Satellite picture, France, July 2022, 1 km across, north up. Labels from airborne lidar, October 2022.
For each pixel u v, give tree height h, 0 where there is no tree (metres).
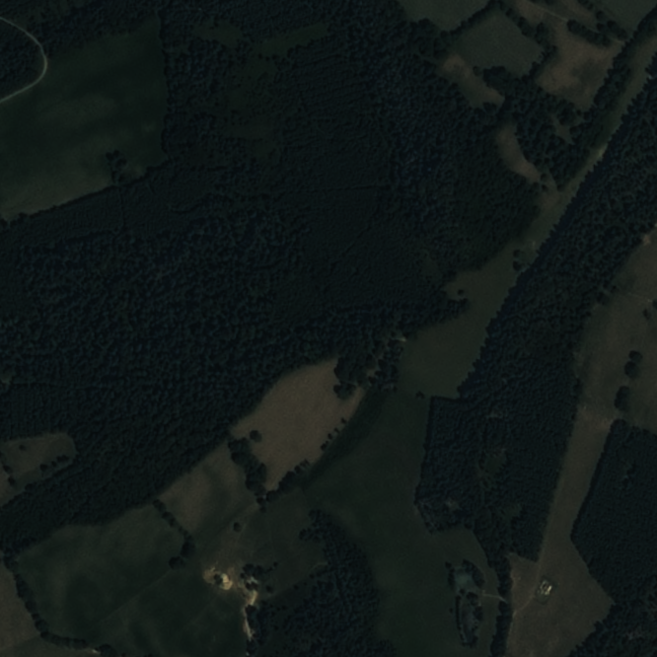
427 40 22
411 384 0
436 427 17
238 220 26
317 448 0
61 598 0
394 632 0
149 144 0
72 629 0
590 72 0
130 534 0
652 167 23
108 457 8
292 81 8
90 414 11
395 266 11
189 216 17
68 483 11
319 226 16
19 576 16
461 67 0
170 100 9
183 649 0
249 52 7
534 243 0
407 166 20
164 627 0
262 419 0
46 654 0
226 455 0
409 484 0
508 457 20
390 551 0
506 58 0
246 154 14
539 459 22
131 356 25
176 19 25
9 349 25
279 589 0
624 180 23
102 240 26
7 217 0
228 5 21
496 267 0
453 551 0
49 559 0
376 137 11
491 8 14
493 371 21
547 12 0
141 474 13
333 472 0
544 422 18
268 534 0
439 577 0
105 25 23
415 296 11
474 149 18
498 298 0
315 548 0
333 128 11
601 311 0
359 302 17
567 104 12
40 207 0
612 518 22
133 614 0
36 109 0
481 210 7
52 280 24
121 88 0
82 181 0
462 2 0
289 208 14
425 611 0
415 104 18
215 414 16
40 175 0
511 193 9
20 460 0
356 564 12
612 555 25
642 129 21
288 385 0
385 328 23
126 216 15
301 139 11
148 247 23
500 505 20
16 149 0
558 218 0
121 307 27
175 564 18
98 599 0
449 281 7
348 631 27
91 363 28
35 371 18
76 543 0
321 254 17
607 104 19
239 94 0
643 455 22
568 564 0
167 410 15
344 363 18
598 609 0
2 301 15
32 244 15
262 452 0
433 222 25
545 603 0
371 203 14
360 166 13
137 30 14
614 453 19
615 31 15
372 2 22
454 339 0
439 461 23
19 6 12
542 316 23
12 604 0
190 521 0
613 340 0
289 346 21
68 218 15
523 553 17
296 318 13
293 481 26
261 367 25
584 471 0
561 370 28
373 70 25
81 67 0
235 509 0
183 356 31
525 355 22
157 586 0
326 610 22
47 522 12
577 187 0
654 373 0
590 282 21
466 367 0
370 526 0
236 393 13
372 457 0
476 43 0
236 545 0
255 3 23
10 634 0
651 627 22
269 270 22
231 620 0
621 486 9
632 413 0
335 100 16
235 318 29
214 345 28
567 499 0
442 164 30
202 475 0
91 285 28
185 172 18
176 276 32
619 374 0
